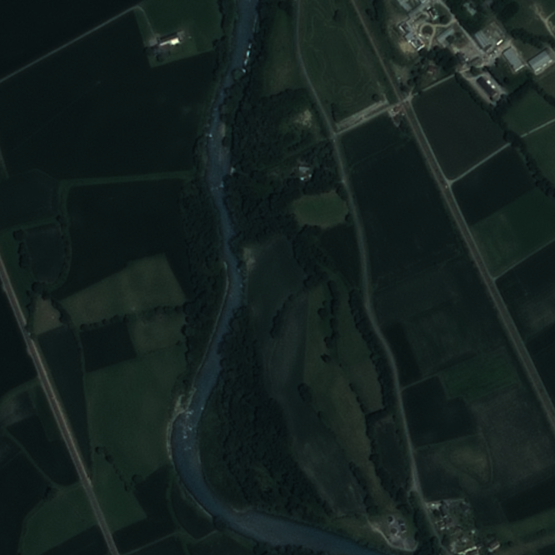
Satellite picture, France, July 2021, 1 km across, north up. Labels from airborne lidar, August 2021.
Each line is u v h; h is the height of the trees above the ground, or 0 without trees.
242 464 32
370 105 0
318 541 0
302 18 0
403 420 0
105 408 0
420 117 0
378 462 17
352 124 0
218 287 15
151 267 0
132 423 0
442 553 23
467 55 0
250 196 21
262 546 17
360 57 0
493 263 0
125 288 0
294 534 0
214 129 0
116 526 0
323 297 0
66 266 9
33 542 0
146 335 0
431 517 0
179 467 0
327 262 13
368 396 0
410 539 0
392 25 0
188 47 0
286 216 8
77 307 0
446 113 0
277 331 16
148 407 0
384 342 0
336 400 0
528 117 0
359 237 0
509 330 0
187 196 11
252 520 0
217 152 0
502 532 0
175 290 0
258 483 23
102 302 0
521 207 0
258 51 12
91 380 0
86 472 0
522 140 17
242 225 24
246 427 19
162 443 0
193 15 0
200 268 9
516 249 0
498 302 0
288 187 15
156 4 0
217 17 0
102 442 0
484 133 0
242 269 24
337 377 0
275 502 22
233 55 0
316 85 0
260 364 25
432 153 0
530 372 0
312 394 18
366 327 13
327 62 0
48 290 17
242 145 20
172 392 7
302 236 22
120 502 0
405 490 10
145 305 0
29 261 17
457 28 0
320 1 0
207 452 5
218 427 8
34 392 0
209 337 9
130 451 0
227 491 7
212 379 0
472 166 0
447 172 0
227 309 0
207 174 0
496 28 0
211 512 0
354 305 18
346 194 20
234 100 17
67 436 0
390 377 20
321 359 0
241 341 22
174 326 0
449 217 7
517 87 0
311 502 10
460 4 6
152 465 0
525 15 0
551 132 0
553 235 0
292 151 10
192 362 16
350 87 0
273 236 28
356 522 0
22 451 7
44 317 0
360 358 0
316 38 0
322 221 0
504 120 14
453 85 0
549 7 0
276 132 7
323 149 10
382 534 0
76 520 0
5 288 0
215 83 8
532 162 13
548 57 0
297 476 24
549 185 15
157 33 0
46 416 0
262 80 16
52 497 16
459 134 0
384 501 0
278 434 11
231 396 16
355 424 0
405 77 0
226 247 0
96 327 10
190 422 0
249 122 20
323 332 0
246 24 0
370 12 18
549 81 0
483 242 0
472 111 0
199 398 0
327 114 0
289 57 0
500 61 15
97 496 0
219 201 0
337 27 0
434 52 17
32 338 8
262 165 10
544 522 0
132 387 0
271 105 12
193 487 0
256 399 27
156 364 0
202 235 17
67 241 8
